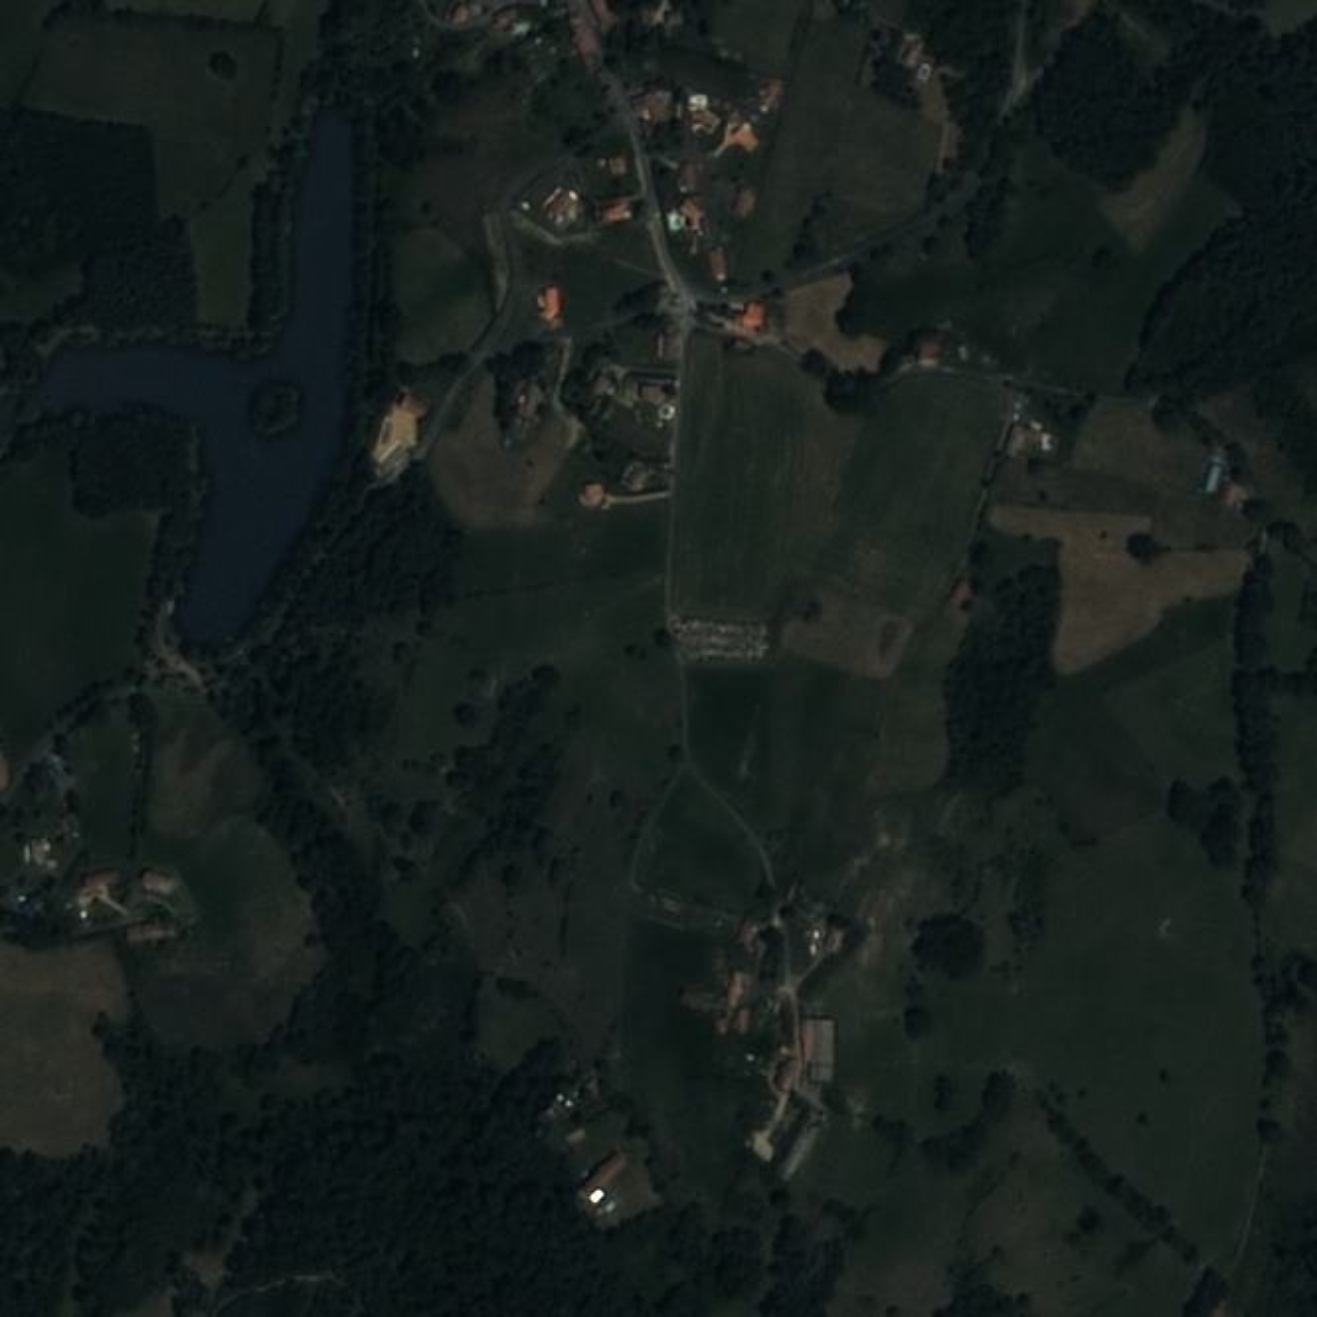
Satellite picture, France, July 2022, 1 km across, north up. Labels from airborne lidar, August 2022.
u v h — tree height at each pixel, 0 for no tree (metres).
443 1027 0
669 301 0
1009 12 17
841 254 0
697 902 7
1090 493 0
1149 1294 0
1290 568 0
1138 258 0
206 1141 22
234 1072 7
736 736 0
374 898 11
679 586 0
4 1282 10
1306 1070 0
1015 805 0
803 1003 0
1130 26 0
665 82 6
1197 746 0
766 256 0
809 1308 15
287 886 0
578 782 0
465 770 14
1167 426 19
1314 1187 0
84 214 18
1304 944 0
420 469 10
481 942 0
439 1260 9
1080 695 0
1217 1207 0
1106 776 0
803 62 0
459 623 0
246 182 0
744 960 0
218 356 0
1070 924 0
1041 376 0
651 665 0
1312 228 14
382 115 6
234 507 0
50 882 13
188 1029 0
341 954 12
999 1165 0
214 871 0
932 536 0
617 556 0
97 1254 26
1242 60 14
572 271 0
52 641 0
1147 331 11
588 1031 0
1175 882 0
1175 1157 0
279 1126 8
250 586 0
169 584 9
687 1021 0
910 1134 9
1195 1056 0
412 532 13
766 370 0
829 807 0
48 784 15
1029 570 9
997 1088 18
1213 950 0
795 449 0
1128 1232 0
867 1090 0
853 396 27
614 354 6
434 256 0
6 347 22
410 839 19
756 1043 0
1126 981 0
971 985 0
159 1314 0
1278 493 0
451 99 27
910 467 0
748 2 0
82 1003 0
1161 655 0
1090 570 0
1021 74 0
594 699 0
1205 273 17
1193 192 0
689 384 0
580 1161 0
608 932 0
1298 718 0
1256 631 17
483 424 0
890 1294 0
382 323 23
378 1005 13
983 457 0
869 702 0
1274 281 19
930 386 0
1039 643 14
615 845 0
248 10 0
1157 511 0
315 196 0
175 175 0
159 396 0
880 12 0
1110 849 0
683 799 0
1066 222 0
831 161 0
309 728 13
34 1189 8
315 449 0
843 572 0
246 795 0
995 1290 11
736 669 0
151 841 0
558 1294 19
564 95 0
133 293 22
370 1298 15
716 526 0
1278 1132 17
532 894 0
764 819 0
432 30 8
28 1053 0
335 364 0
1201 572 0
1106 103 15
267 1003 0
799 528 0
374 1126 17
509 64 13
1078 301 0
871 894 0
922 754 0
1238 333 14
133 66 0
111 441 21
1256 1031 0
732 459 0
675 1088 0
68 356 0
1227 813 13
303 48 0
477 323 0
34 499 0
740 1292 20
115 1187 21
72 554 0
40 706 0
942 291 0
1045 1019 0
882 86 11
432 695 0
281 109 0
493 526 0
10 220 14
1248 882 9
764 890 10
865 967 0
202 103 0
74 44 0
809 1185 0
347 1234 14
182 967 0
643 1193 0
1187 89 17
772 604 0
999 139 16
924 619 0
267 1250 13
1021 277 0
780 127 0
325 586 13
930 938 13
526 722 5
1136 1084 0
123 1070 5
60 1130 0
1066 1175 0
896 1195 0
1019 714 9
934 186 11
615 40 6
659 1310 19
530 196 0
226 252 0
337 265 0
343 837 13
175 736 0
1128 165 17
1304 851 0
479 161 0
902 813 0
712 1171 0
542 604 0
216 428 0
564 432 0
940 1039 0
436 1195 15
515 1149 7
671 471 0
